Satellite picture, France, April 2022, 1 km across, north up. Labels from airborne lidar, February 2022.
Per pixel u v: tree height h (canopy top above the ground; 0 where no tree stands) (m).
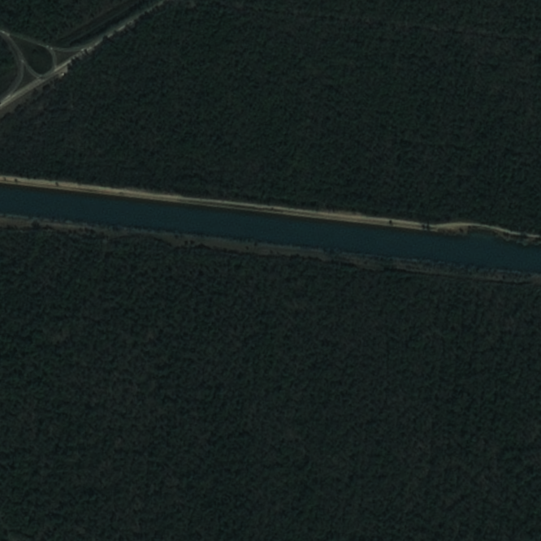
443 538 19
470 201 17
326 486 15
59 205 0
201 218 0
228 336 19
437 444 17
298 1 13
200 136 14
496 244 0
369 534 14
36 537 18
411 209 14
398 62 16
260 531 17
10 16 18
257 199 13
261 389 17
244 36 18
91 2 15
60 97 9
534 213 12
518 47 15
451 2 17
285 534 17
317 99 15
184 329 16
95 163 10
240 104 17
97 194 0
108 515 15
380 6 17
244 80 17
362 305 17
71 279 15
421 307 17
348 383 15
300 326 9
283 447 16
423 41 18
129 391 19
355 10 16
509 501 22
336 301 17
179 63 16
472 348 18
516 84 15
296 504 15
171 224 0
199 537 15
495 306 20
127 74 16
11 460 17
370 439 16
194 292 11
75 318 21
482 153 17
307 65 15
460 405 18
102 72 15
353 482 19
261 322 9
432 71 15
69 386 11
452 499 18
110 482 19
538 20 16
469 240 0
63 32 14
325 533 18
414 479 22
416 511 10
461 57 16
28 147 8
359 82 15
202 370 16
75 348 12
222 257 22
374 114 16
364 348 15
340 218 0
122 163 10
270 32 13
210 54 16
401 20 16
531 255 0
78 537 17
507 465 19
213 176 15
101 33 10
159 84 13
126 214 0
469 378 20
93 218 0
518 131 16
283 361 18
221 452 16
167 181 16
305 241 0
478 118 19
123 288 10
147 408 23
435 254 0
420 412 16
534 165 14
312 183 17
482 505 9
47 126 9
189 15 14
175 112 16
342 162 18
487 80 17
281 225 0
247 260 15
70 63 0
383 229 0
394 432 16
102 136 14
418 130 10
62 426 8
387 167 14
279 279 19
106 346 17
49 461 18
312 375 16
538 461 23
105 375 13
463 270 8
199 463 8
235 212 0
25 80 0
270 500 17
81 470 19
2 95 0
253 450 15
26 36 14
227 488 12
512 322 21
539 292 10
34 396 9
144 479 16
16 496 13
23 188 0
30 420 7
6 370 14
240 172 16
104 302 20
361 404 13
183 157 18
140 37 16
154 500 19
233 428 16
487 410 18
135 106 12
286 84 16
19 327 19
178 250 10
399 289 19
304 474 18
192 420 19
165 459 16
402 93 16
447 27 15
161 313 17
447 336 19
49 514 13
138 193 0
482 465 17
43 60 0
